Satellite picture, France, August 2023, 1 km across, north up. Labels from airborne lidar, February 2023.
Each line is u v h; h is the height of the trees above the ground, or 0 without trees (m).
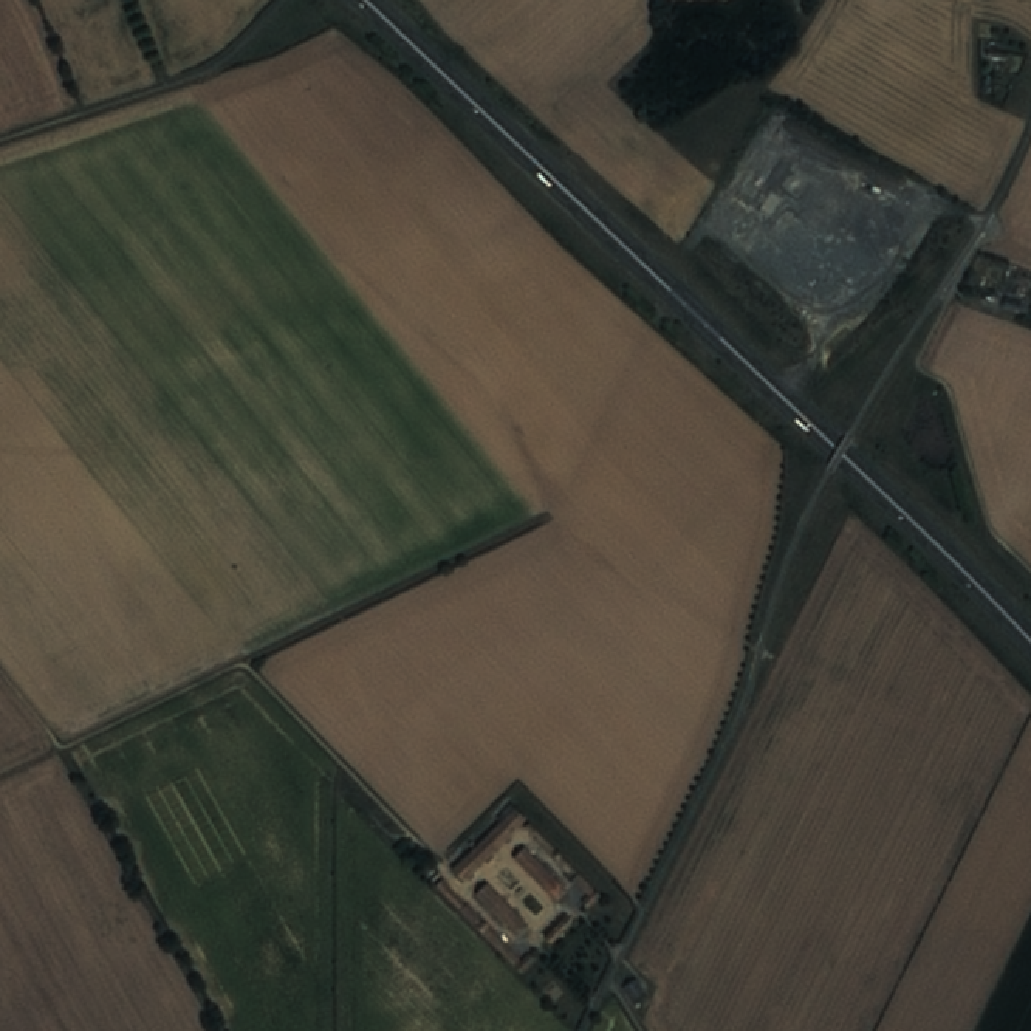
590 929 8
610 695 0
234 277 0
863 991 0
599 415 0
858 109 0
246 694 0
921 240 0
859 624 0
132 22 9
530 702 0
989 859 0
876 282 0
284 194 0
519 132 0
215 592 0
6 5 0
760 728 0
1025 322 8
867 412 0
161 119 0
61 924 0
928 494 0
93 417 0
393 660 0
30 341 0
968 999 0
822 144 0
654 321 6
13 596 0
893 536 6
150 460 0
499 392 0
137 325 0
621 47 0
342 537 0
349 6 0
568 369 0
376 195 0
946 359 0
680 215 0
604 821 0
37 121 0
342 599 0
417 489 0
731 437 0
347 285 0
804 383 0
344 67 0
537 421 0
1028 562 0
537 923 0
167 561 0
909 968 0
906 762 0
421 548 0
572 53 0
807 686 0
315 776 0
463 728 0
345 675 0
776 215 0
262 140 0
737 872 0
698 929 0
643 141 0
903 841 0
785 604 0
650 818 0
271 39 0
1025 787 0
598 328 0
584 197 0
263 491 0
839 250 0
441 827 0
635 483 0
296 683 0
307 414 0
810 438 0
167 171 0
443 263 0
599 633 0
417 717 0
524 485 0
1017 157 0
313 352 0
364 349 0
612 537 0
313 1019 0
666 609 0
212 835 0
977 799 0
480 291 0
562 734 0
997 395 0
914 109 0
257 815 0
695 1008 0
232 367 0
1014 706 0
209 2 0
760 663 0
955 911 0
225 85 0
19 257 0
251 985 0
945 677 0
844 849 0
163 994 0
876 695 0
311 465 0
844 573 0
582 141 0
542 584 0
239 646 0
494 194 0
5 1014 0
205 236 0
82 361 0
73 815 0
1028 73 0
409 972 0
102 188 0
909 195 0
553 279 0
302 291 0
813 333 0
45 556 0
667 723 0
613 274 0
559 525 0
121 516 0
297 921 0
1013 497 0
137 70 0
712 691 0
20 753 0
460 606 0
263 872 0
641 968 0
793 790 0
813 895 0
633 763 0
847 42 0
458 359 0
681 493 0
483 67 0
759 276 0
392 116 0
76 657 0
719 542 0
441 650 0
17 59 0
